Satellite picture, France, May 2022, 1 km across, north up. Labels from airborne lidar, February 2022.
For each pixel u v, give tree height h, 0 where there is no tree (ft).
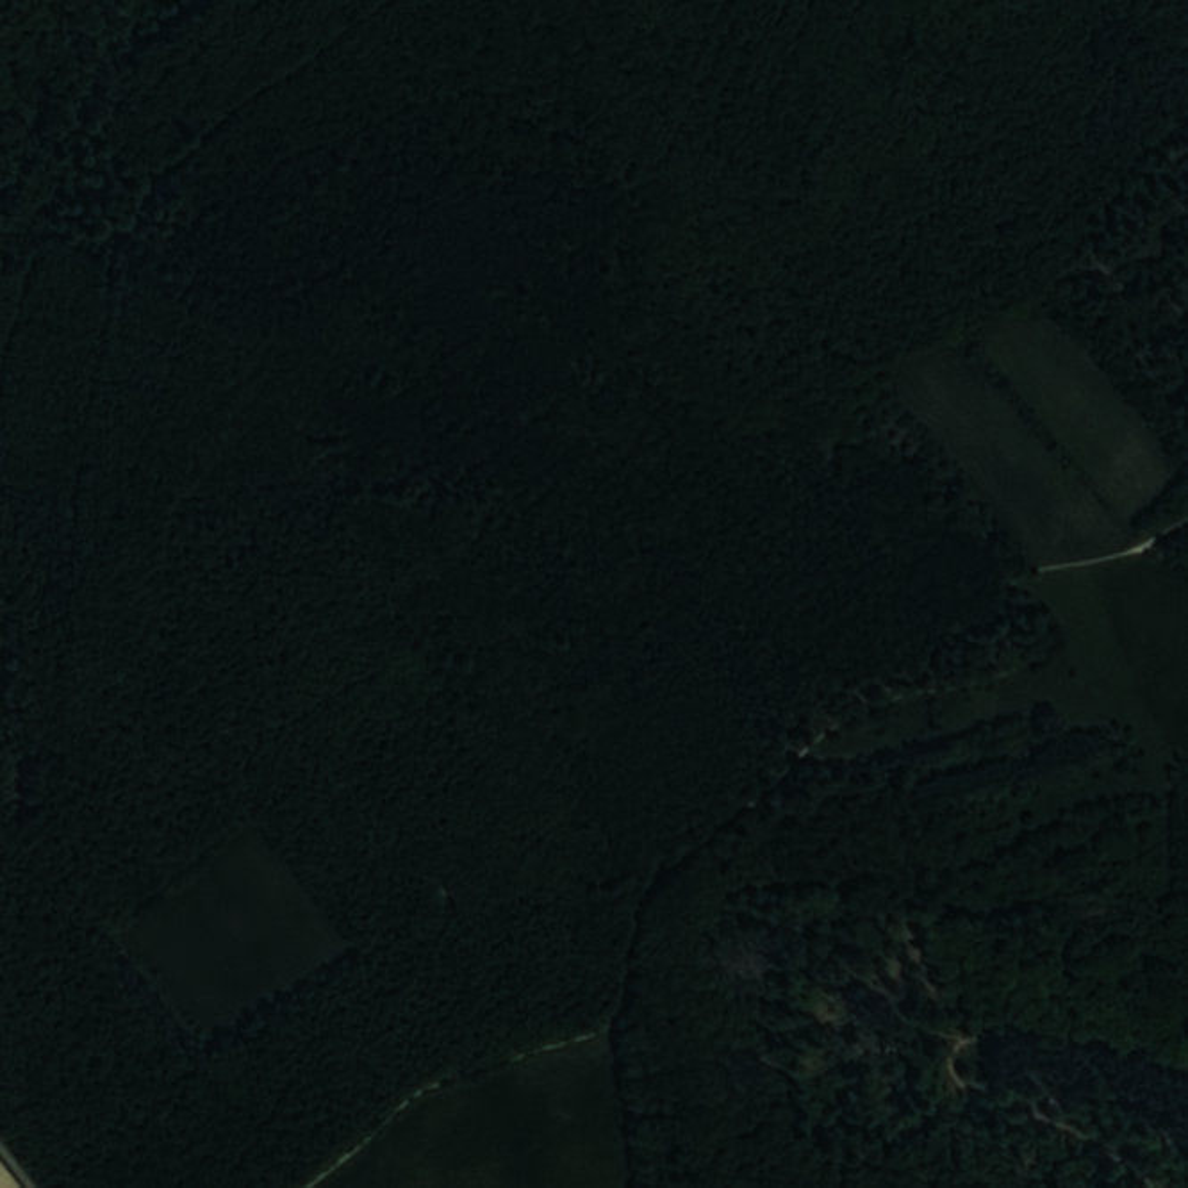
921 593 51
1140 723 0
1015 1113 116
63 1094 66
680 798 54
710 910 87
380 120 40
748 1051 95
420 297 36
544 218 50
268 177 52
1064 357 0
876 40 62
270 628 80
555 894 61
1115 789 0
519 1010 56
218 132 38
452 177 49
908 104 71
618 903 64
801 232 75
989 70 84
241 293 58
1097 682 0
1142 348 97
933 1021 100
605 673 62
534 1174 0
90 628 69
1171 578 0
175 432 79
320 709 57
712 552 49
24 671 85
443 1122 0
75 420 72
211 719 82
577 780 62
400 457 58
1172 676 0
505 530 59
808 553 49
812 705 32
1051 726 63
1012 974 92
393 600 65
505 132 40
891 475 54
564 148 47
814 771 80
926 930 122
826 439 34
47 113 133
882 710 59
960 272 98
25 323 75
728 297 82
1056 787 24
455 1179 0
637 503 45
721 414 52
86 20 86
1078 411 0
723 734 52
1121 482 0
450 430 70
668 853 59
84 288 75
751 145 51
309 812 64
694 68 60
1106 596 0
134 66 85
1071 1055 118
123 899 63
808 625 35
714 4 52
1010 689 0
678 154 52
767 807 98
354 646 67
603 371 31
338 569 71
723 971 102
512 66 39
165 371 71
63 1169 58
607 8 36
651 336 72
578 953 64
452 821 59
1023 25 85
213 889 0
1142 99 49
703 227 70
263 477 52
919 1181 38
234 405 55
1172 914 47
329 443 77
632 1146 51
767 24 52
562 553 53
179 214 101
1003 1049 110
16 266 79
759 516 46
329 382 56
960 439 0
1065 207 71
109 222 96
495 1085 0
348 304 61
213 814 67
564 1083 0
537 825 64
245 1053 68
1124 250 107
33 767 86
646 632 60
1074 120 79
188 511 64
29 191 64
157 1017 70
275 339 52
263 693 68
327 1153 59
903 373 0
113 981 66
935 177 92
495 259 56
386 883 64
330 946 0
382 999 67
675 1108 78
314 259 50
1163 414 63
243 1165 67
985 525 37
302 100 48
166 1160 67
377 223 51
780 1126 68
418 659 49
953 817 71
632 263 61
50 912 92
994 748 72
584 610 51
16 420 83
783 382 94
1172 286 112
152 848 78
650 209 52
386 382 96
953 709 0
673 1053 96
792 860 61
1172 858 24
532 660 63
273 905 0
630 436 40
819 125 51
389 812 68
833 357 82
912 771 49
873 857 69
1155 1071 120
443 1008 65
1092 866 56
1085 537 0
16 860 87
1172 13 56
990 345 0
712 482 53
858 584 46
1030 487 0
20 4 114
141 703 80
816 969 150
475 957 68
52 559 76
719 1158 52
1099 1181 118
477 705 66
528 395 51
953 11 66
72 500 78
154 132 52
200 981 0
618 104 57
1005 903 31
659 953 93
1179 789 28
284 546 77
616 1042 63
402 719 67
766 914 109
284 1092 66
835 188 77
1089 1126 123
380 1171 0
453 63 30
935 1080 38
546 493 45
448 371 45
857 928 141
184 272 54
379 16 56
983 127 96
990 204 98
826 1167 68
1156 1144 112
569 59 39
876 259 97
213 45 90
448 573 57
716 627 31
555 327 50
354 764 60
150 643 76
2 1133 46
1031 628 93
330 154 37
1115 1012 100
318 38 70
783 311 94
